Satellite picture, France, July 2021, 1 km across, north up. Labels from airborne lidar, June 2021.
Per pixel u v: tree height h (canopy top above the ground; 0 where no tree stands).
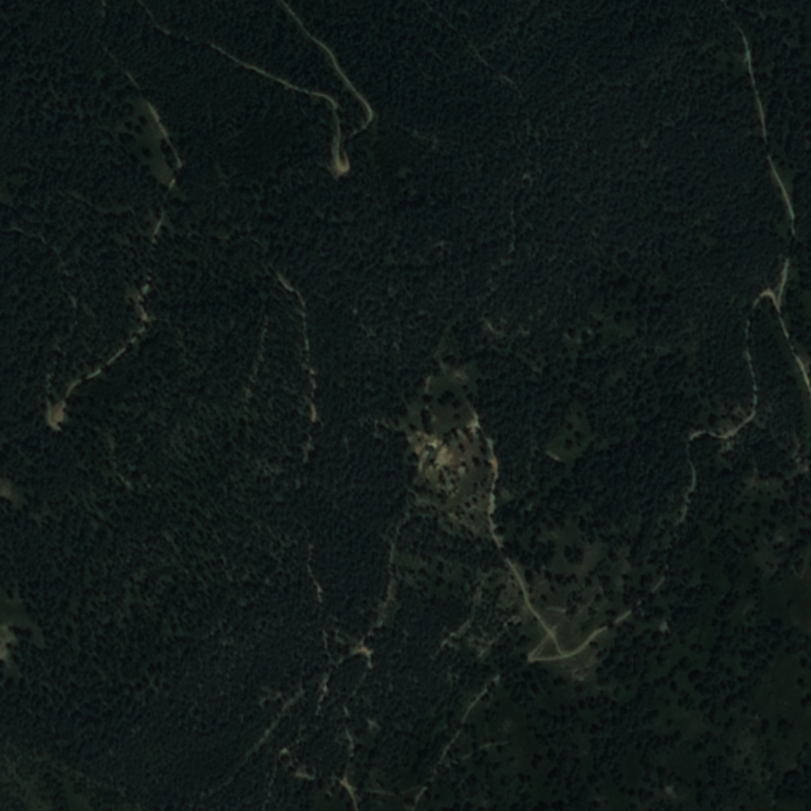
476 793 18
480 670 17
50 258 9
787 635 10
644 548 21
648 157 11
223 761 13
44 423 6
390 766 13
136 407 16
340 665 8
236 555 21
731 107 9
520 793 8
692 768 0
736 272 9
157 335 13
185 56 24
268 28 21
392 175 12
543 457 13
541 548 11
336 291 17
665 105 14
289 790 11
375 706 13
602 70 18
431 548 14
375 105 18
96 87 23
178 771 7
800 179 12
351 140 10
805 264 15
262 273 19
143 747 11
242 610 12
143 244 23
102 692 19
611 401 15
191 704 14
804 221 12
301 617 12
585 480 19
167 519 16
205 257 20
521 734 0
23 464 24
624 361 15
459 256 15
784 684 0
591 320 10
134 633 9
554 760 17
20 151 24
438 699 12
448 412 0
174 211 21
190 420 17
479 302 13
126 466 16
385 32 23
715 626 12
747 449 15
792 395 15
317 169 20
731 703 18
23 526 24
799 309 17
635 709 18
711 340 10
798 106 19
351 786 0
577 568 0
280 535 13
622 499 24
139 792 10
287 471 15
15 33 22
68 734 14
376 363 18
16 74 25
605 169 13
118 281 21
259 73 14
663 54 9
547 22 7
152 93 22
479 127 18
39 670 21
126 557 15
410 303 17
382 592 8
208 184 7
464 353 17
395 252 17
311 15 17
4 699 18
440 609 15
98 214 25
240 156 10
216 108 19
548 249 16
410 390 23
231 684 7
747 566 0
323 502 20
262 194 24
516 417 20
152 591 7
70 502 20
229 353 19
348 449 13
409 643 9
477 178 16
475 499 11
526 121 12
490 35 20
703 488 13
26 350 20
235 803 13
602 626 6
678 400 19
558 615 0
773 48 16
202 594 15
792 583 0
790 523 15
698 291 10
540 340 14
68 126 20
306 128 21
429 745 10
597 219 12
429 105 21
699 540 22
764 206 6
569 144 19
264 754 14
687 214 12
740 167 12
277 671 10
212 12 18
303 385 16
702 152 9
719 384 9
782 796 12
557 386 23
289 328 17
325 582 10
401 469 23
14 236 20
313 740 11
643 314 21
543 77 15
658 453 19
